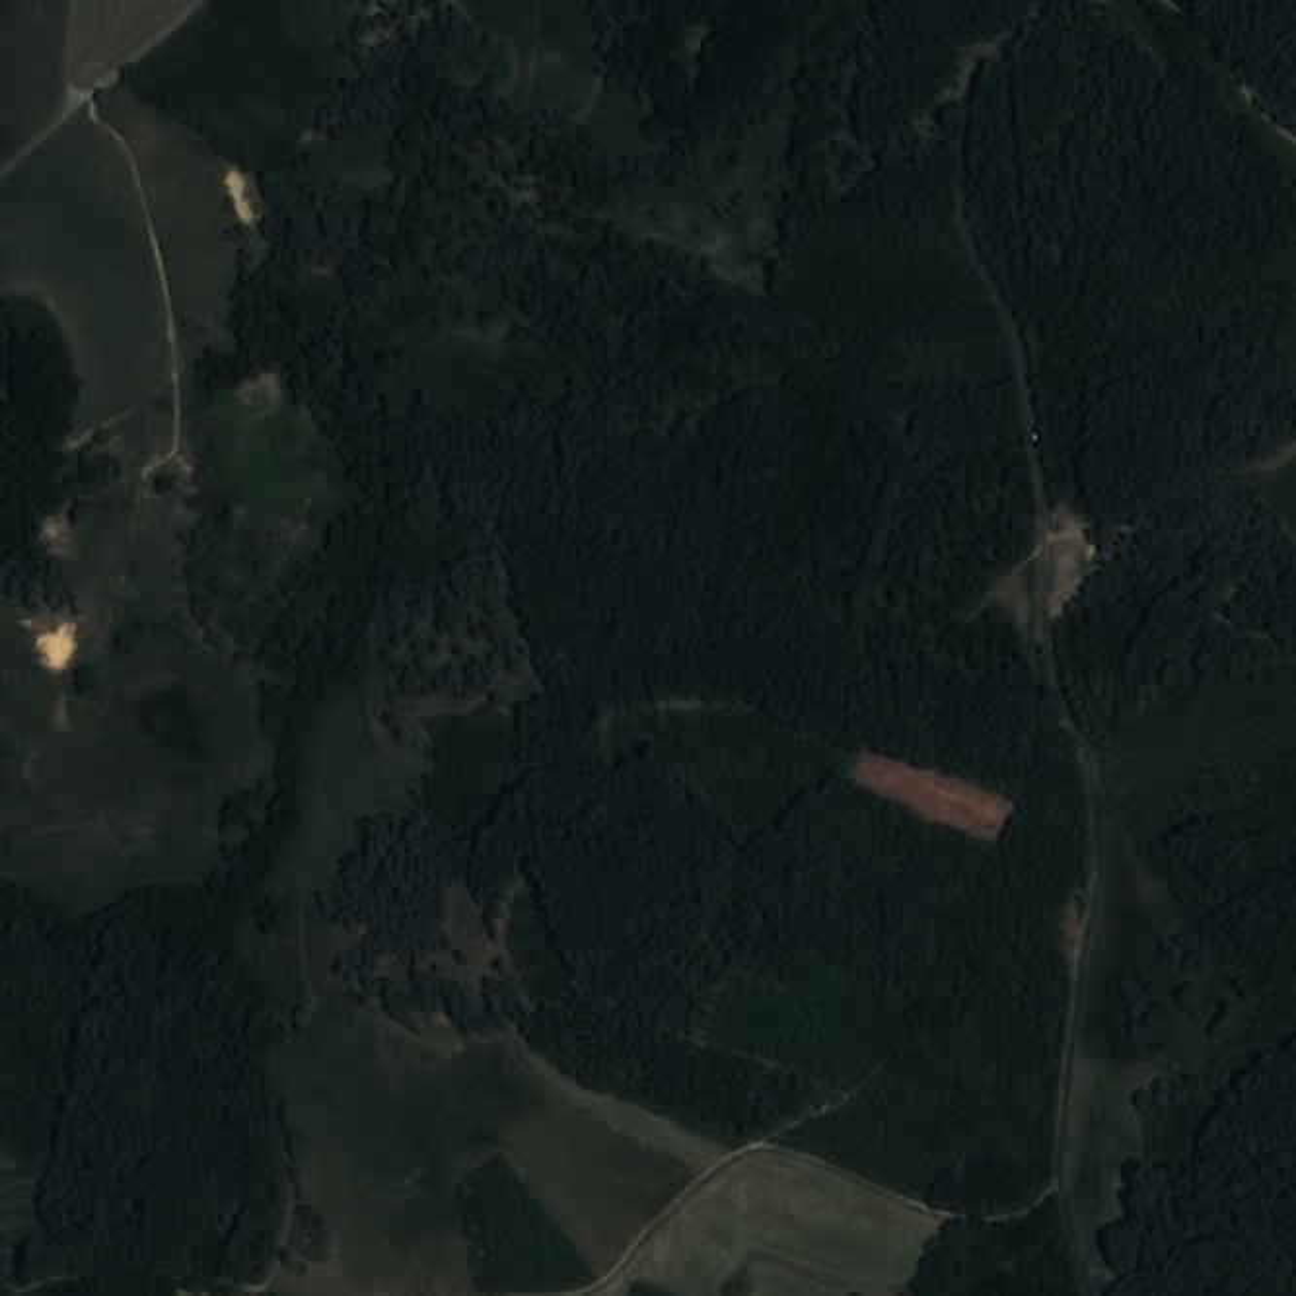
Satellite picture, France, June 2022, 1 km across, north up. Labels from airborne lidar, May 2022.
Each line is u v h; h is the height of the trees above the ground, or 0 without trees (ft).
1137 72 66
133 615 0
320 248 50
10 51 0
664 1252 0
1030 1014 53
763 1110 48
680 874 78
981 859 97
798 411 65
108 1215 75
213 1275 21
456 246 43
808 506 55
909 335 44
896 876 109
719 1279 0
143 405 0
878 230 55
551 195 54
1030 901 48
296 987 0
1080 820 67
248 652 19
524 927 0
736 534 74
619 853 71
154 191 0
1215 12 102
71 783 0
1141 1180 120
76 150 0
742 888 67
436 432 71
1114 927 0
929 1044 23
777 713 82
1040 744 63
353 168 0
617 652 88
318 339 36
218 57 0
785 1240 0
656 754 99
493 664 32
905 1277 0
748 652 78
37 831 0
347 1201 0
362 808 0
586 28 0
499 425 52
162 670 0
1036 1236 29
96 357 0
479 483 93
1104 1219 0
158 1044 110
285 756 52
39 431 43
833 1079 25
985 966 52
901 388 49
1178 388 82
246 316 68
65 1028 44
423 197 62
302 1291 0
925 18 85
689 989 78
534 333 73
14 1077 34
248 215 0
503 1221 19
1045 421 40
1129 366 79
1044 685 20
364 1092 0
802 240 49
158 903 80
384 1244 0
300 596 57
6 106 0
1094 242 36
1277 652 87
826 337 53
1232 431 73
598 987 69
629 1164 0
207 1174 89
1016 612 0
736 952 56
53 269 0
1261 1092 83
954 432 73
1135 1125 0
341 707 0
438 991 45
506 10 0
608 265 69
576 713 75
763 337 69
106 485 42
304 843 0
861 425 56
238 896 62
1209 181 107
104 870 0
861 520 62
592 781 75
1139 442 115
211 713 0
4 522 69
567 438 102
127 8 0
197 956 54
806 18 92
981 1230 55
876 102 80
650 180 65
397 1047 0
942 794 0
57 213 0
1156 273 58
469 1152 0
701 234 61
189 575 39
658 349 38
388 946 64
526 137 70
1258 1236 65
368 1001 47
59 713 0
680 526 90
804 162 61
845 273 49
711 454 68
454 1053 0
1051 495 33
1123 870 0
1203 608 90
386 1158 0
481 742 28
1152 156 77
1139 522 71
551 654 63
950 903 109
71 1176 70
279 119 0
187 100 0
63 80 0
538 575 83
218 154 22
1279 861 34
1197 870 44
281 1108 34
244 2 0
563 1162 0
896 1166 22
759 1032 22
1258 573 71
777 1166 0
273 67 0
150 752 0
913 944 114
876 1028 25
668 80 66
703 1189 0
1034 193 67
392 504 68
